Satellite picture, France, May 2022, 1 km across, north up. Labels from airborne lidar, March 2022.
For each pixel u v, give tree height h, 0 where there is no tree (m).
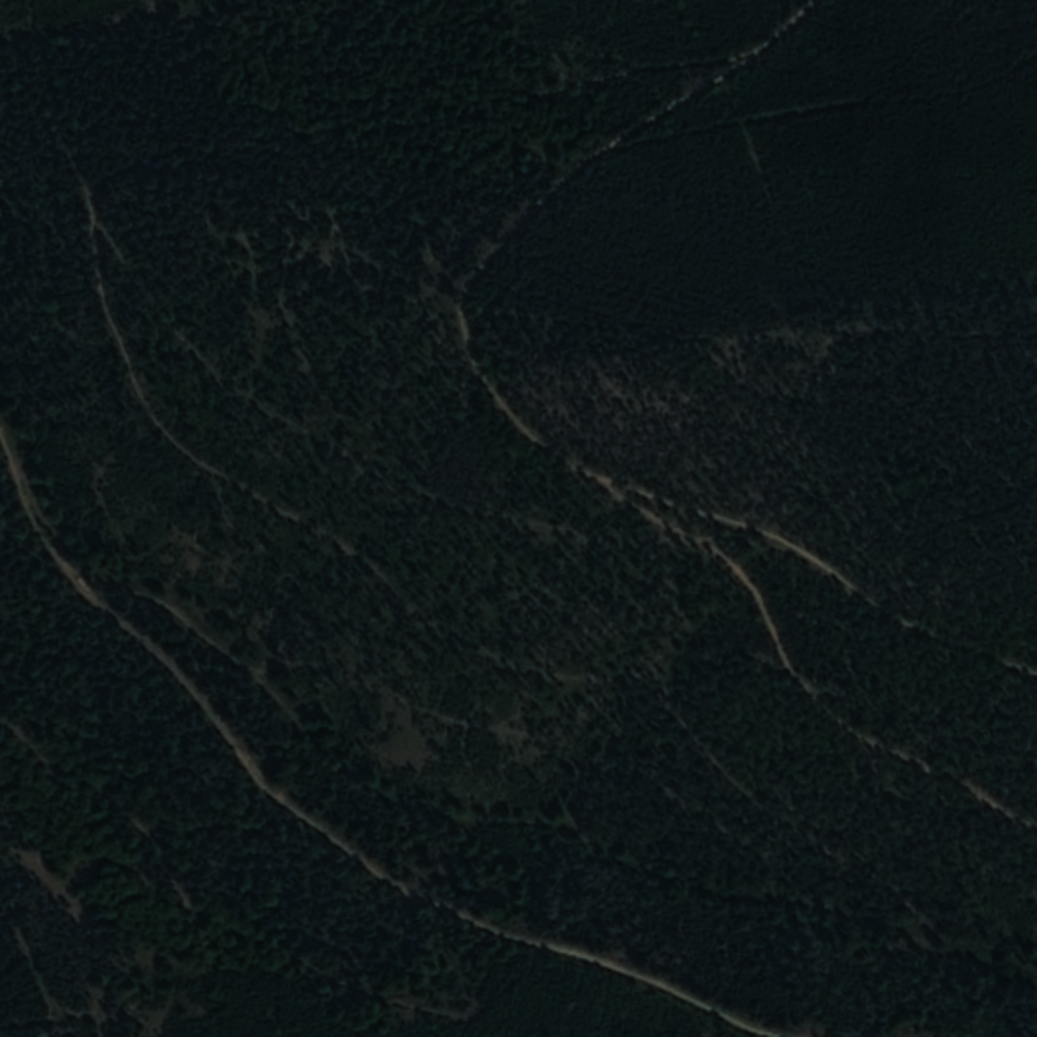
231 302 11
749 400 29
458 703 7
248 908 23
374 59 30
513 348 32
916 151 10
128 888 28
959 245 8
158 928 31
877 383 22
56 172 31
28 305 32
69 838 27
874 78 10
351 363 8
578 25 6
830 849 39
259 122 31
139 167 14
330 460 33
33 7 10
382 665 39
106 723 34
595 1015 7
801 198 8
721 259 18
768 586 7
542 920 11
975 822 26
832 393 25
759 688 23
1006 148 12
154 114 26
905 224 12
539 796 7
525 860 7
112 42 35
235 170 23
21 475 0
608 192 13
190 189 35
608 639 26
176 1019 5
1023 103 10
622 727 36
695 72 9
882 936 32
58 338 33
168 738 29
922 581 27
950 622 26
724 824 31
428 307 29
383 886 12
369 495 26
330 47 31
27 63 31
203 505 9
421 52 29
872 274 6
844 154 13
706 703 30
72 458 6
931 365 26
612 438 30
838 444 25
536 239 17
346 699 36
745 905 17
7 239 17
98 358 7
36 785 27
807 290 17
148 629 24
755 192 10
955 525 27
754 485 25
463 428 20
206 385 26
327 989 8
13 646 29
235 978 8
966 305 27
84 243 30
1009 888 8
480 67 29
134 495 6
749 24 11
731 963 9
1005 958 18
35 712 31
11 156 32
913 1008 6
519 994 6
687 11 9
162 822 26
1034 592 27
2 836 26
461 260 20
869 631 24
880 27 10
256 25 24
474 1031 8
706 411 29
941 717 29
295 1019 10
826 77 9
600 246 18
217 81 29
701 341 24
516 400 26
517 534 31
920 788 28
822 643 7
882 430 30
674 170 11
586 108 8
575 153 15
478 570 35
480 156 32
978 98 10
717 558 30
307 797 9
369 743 6
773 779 32
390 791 17
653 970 34
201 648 11
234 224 9
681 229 14
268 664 0
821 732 22
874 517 27
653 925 10
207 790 27
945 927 32
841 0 8
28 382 36
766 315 18
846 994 38
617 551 27
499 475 21
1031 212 9
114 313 7
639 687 30
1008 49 7
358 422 27
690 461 29
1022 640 21
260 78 28
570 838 26
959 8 8
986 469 25
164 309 6
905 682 25
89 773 32
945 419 28
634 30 7
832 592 15
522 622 29
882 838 32
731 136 8
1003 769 26
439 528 29
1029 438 26
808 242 11
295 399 35
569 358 27
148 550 10
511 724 6
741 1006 11
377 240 14
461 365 22
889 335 7
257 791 28
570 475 17
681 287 14
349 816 10
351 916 23
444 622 27
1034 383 27
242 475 9
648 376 28
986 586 28
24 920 19
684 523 28
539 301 19
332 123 23
